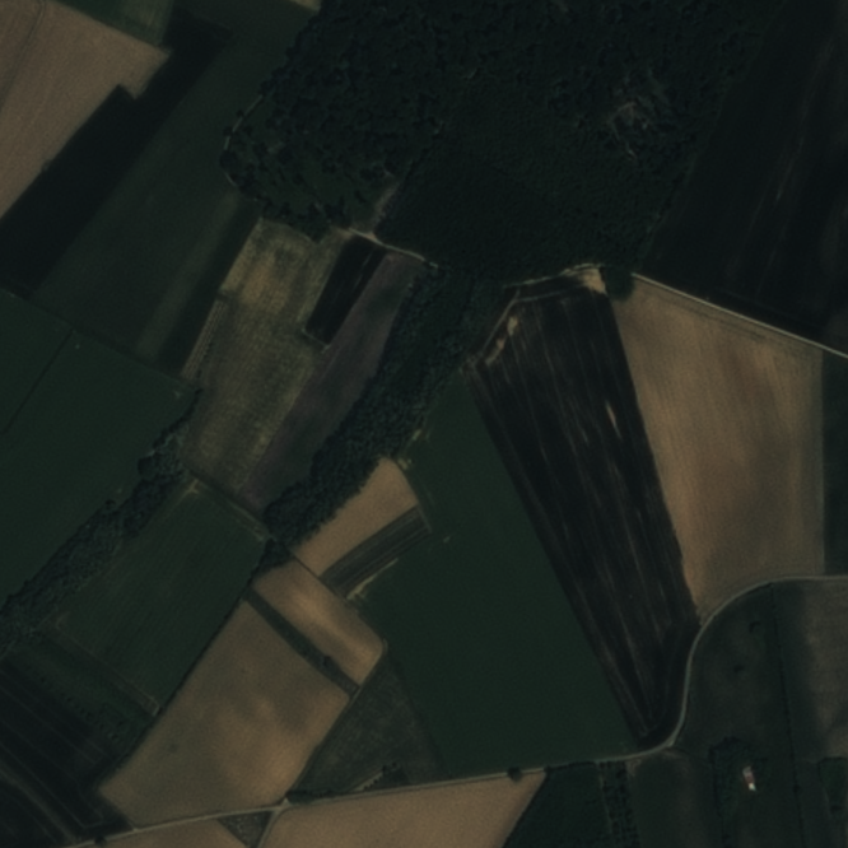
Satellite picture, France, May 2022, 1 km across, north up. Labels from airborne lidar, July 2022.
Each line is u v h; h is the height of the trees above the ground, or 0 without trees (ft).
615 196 26
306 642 0
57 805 0
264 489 0
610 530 0
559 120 77
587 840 41
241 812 0
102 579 0
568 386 0
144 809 0
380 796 0
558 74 98
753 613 0
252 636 0
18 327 0
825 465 0
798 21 0
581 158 21
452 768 0
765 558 0
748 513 0
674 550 0
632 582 0
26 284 0
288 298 0
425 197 62
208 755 0
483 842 0
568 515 0
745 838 0
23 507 0
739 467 0
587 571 0
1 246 0
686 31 94
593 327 0
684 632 0
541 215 54
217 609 0
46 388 0
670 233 0
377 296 0
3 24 0
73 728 0
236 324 0
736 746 66
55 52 0
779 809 0
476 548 0
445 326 52
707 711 0
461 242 58
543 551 0
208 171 0
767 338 0
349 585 0
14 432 0
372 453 75
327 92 107
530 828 29
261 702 0
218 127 0
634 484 0
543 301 0
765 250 0
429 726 0
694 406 0
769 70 0
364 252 0
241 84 0
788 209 0
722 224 0
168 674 0
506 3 86
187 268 0
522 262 52
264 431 0
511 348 0
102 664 0
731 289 0
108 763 0
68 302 0
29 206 0
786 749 0
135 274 0
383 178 95
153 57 0
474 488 0
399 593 0
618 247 56
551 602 0
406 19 102
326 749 0
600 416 0
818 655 0
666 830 0
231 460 0
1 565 0
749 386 0
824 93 0
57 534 0
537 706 0
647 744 0
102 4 0
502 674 0
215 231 0
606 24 95
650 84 100
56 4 0
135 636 0
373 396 67
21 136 0
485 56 89
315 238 49
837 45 0
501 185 57
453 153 58
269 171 90
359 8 75
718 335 0
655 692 0
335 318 0
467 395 0
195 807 0
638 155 91
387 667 0
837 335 0
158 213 0
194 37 0
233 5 0
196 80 0
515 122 21
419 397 79
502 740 0
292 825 0
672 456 0
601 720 0
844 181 0
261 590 0
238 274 0
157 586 0
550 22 82
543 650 0
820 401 0
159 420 0
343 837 0
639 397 0
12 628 61
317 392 0
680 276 0
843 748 0
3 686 0
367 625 0
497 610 0
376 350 0
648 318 0
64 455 0
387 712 0
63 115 0
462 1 97
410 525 0
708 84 64
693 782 0
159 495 41
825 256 0
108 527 50
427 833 0
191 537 0
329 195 0
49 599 52
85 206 0
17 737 0
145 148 0
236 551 0
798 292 0
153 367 0
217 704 0
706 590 0
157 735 0
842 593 0
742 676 36
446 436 0
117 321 0
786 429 0
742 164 0
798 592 0
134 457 0
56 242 0
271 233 0
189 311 0
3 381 0
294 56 69
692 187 0
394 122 87
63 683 0
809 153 0
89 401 0
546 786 31
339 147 84
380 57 91
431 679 0
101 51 0
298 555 0
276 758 0
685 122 99
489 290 81
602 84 89
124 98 0
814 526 0
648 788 0
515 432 0
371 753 0
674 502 0
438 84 107
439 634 0
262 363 0
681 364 0
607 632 0
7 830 0
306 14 0
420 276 0
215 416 0
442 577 0
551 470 0
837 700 0
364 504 0
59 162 0
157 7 0
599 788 31
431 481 0
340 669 0
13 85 0
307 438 0
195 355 0
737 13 47
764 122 0
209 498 0
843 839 0
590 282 0
